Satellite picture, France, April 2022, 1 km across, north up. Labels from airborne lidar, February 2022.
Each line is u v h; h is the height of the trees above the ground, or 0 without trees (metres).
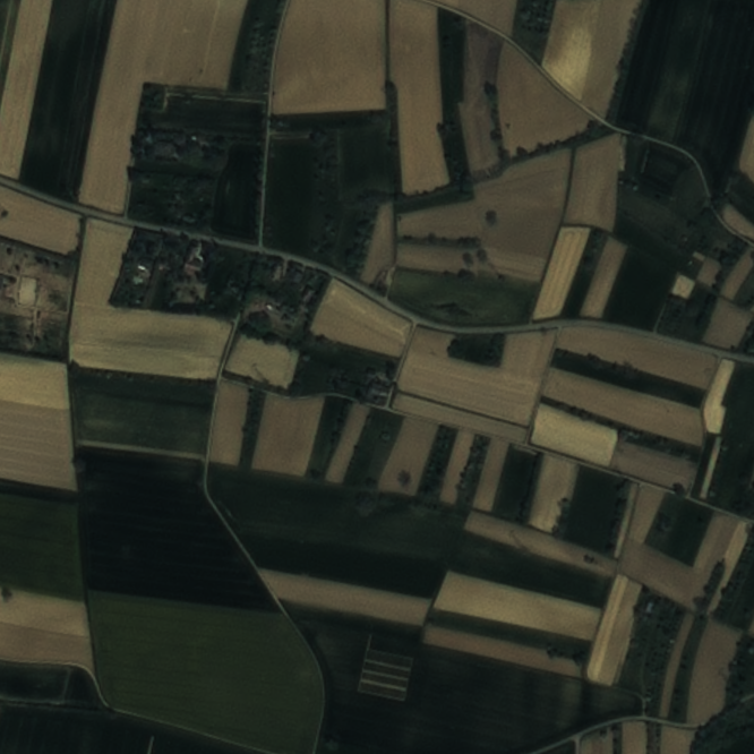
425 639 0
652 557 0
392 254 0
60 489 0
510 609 0
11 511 0
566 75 0
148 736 0
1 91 0
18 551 0
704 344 0
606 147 0
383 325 0
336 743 12
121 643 0
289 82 0
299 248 0
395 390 7
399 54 0
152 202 0
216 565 0
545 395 0
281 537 0
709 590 9
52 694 0
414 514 0
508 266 0
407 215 0
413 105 0
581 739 0
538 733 0
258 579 0
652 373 0
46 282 0
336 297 0
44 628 0
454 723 0
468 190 13
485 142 0
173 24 0
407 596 0
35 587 0
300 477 0
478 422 0
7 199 0
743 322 0
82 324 0
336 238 0
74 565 0
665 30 0
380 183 0
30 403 0
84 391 0
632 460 0
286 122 6
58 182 0
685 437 0
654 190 0
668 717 0
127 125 0
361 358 0
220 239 0
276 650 0
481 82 0
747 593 0
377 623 0
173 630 0
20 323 0
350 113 0
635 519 0
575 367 0
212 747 0
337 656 0
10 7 0
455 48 0
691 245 0
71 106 0
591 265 12
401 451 0
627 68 14
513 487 0
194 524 0
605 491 0
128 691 0
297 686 0
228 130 0
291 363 0
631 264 0
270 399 0
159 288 0
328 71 0
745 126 0
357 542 0
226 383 0
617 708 0
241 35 0
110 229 0
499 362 7
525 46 0
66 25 0
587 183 0
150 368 0
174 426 0
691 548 0
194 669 0
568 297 0
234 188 0
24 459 0
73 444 0
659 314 0
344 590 0
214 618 0
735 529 0
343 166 0
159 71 0
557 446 0
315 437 0
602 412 0
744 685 7
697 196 0
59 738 0
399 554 0
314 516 0
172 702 0
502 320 0
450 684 0
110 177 0
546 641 0
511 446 0
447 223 0
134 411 0
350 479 0
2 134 0
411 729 0
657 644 0
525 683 0
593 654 0
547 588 0
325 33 0
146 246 8
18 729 0
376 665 0
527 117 0
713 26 0
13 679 0
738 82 0
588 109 0
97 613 0
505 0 0
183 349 0
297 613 0
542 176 0
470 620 0
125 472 0
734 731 8
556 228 0
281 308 7
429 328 0
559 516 0
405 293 0
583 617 0
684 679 0
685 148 0
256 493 0
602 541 0
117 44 0
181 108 0
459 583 0
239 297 6
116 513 0
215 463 0
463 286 0
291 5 0
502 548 0
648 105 0
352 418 0
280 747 0
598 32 0
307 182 0
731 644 0
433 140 0
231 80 0
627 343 0
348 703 0
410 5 0
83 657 0
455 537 0
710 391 0
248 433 6
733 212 0
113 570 0
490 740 0
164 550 0
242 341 0
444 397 0
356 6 0
